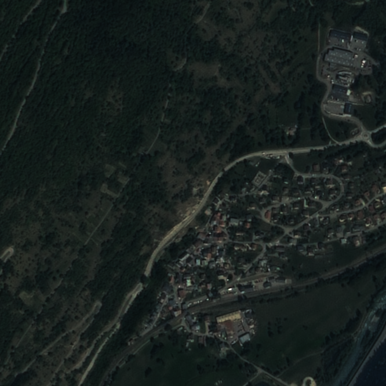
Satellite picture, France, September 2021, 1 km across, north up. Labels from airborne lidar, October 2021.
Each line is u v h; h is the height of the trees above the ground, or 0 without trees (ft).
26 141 44
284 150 0
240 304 43
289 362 52
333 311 0
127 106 36
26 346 21
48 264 35
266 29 32
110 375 41
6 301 37
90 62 52
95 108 52
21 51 47
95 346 31
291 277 0
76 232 0
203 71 0
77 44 32
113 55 41
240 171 0
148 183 27
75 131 36
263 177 0
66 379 35
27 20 19
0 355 56
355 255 0
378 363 50
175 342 20
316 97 37
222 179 52
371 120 0
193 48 48
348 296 0
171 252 65
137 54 88
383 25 47
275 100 25
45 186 29
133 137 59
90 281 31
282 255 0
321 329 0
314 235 0
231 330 0
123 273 26
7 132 35
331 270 0
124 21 41
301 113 32
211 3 21
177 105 32
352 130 0
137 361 0
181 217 0
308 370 0
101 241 0
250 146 50
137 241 46
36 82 33
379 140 47
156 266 51
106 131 22
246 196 22
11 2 42
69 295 23
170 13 75
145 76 51
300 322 0
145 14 43
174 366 0
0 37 38
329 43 0
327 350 34
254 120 27
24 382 55
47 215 21
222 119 28
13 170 35
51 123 37
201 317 41
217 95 37
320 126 39
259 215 0
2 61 32
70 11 50
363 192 30
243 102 24
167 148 21
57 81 45
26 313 25
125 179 0
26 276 21
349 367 0
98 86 34
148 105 64
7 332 30
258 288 0
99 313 27
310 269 0
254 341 0
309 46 0
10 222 26
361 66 0
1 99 49
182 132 38
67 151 43
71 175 48
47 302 31
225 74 25
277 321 28
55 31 47
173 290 29
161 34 63
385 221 0
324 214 0
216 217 0
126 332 47
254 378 0
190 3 46
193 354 0
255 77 36
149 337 0
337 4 32
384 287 26
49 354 35
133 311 64
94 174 27
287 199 0
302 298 0
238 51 21
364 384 24
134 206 29
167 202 35
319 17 37
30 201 23
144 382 0
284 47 26
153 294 47
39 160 47
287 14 42
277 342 0
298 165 0
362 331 0
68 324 0
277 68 29
